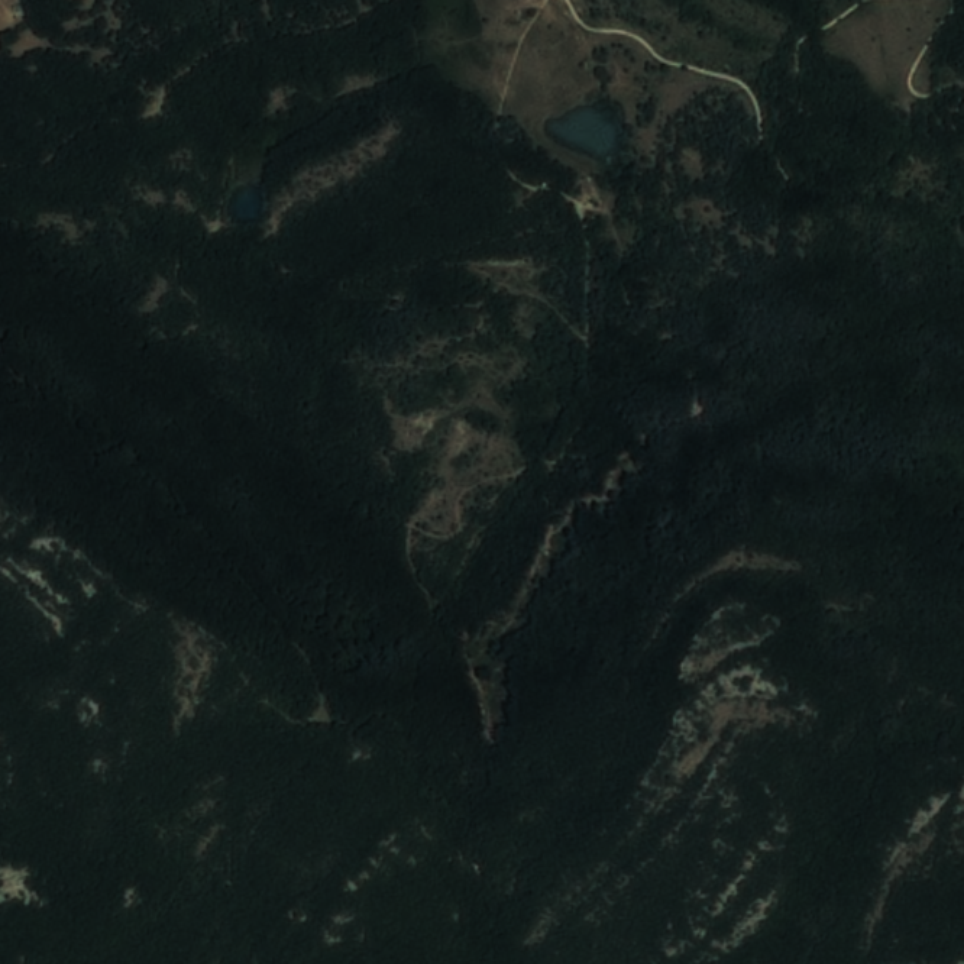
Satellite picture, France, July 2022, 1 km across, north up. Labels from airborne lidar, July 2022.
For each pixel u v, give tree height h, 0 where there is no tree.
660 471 15
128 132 13
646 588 9
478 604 7
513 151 13
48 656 8
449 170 6
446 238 9
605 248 8
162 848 9
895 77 0
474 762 13
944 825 6
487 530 7
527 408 6
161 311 6
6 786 6
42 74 12
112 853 16
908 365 18
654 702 10
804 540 7
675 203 9
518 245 5
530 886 13
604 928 6
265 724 9
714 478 11
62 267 7
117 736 7
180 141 10
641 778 6
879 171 11
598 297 13
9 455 11
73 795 8
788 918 8
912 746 11
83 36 8
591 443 13
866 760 10
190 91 13
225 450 17
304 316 11
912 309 17
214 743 10
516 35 0
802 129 16
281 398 16
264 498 17
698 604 8
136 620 7
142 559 14
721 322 13
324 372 6
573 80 0
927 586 8
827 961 7
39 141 14
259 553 21
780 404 13
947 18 10
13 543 7
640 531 12
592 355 10
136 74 12
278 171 12
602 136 0
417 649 19
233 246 12
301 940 9
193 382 21
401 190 8
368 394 6
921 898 6
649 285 6
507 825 10
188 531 22
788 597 9
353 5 16
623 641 7
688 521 13
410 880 8
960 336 17
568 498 12
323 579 15
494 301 11
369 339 14
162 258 14
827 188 12
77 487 20
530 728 8
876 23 0
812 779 8
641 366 9
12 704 7
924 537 20
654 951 5
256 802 6
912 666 8
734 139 13
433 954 6
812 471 14
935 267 7
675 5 7
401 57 15
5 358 21
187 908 6
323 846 6
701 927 6
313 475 20
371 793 9
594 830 9
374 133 7
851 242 10
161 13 10
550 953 6
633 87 0
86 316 17
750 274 15
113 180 10
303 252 12
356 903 6
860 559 10
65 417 24
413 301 12
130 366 22
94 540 20
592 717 8
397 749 9
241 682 6
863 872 8
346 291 11
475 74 0
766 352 10
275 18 13
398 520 6
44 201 13
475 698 25
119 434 19
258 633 13
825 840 14
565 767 8
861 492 13
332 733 16
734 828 6
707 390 14
